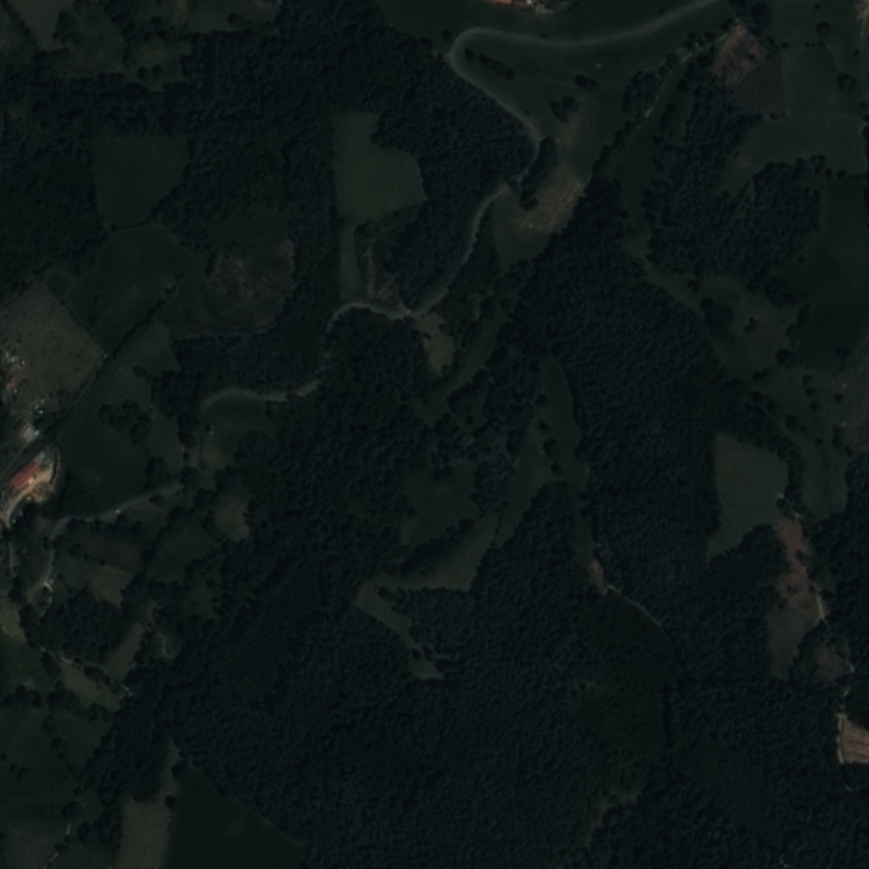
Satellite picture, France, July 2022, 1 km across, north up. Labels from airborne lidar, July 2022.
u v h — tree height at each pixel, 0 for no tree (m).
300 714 26
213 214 11
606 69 0
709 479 6
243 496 0
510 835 29
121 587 0
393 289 0
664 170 22
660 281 0
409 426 23
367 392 16
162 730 21
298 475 25
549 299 25
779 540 18
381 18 13
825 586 11
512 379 15
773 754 26
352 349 22
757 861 21
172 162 0
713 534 14
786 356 16
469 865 28
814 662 11
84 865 0
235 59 28
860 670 18
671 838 28
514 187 13
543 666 28
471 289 8
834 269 0
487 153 14
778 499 0
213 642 21
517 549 16
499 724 29
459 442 5
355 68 15
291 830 27
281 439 19
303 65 37
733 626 26
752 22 9
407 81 12
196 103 32
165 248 0
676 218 21
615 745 6
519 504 0
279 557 18
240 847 0
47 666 18
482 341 23
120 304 0
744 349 0
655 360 27
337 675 31
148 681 20
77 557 8
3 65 23
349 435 31
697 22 0
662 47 0
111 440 0
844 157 0
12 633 0
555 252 22
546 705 34
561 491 20
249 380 8
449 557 21
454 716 28
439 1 0
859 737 0
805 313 12
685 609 26
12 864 0
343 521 6
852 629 19
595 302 25
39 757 0
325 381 23
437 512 0
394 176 0
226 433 0
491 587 23
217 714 35
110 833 22
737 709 27
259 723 39
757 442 16
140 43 25
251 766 30
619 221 16
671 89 0
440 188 27
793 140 0
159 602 22
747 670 27
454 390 0
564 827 21
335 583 16
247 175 15
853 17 0
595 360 26
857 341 0
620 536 34
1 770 0
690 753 6
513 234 0
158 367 0
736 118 6
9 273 9
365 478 13
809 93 0
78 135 10
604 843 22
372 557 14
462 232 26
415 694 27
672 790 18
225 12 0
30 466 0
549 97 0
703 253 10
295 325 21
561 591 22
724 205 9
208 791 0
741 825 12
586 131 0
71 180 11
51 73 6
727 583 17
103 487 0
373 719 9
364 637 26
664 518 24
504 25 0
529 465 0
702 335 21
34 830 0
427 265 26
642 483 13
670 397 14
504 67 18
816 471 0
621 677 9
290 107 16
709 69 18
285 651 6
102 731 0
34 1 0
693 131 7
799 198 12
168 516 0
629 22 0
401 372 11
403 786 16
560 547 22
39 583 0
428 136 13
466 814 32
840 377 0
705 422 17
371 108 17
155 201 0
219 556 15
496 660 30
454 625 27
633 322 27
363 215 0
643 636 11
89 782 18
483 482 17
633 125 13
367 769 8
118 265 0
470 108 17
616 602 12
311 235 21
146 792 22
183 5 0
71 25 22
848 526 21
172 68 0
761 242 15
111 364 8
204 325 0
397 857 29
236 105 26
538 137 0
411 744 7
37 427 9
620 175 0
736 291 0
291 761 18
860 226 0
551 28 0
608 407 17
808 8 0
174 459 0
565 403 0
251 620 26
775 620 0
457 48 0
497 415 20
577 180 0
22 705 23
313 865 17
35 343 0
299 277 14
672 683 10
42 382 0
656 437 15
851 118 0
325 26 32
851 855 18
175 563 0
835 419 0
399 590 0
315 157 16
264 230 0
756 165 0
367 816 14
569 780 27
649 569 18
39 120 6
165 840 0
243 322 0
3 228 7
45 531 0
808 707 27
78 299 0
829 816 24
